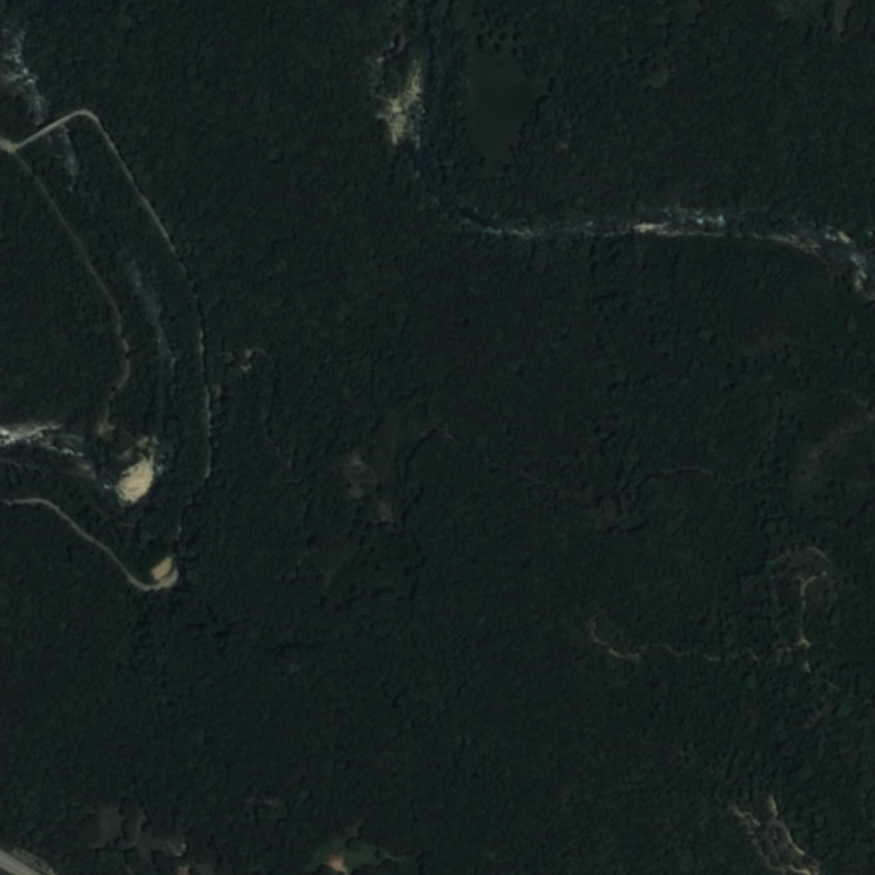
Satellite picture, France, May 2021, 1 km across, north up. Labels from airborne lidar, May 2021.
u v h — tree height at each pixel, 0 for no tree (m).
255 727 14
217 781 13
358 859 0
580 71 12
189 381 12
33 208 9
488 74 0
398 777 18
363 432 8
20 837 10
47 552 15
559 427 13
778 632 14
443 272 23
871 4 12
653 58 11
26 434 0
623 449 11
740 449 15
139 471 0
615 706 13
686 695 8
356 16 14
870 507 12
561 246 19
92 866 9
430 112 15
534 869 10
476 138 0
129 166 11
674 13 11
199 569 19
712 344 14
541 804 12
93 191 16
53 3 14
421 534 14
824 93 9
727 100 16
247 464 16
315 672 14
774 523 11
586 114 7
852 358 13
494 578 12
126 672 22
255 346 12
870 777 14
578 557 11
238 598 14
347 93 14
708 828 8
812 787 11
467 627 11
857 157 12
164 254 17
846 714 11
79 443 0
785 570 9
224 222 11
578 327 19
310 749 13
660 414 13
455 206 10
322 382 15
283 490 13
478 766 15
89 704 17
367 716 12
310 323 9
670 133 11
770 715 9
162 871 14
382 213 11
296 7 13
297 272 12
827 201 10
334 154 10
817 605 5
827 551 11
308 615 10
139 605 18
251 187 12
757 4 14
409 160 16
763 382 12
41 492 14
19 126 16
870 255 11
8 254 12
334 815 11
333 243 14
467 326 18
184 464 13
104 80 12
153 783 16
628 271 13
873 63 11
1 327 10
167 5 13
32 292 12
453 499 12
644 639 11
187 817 12
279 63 14
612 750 14
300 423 13
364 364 12
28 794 13
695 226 16
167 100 10
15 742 6
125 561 14
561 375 19
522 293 20
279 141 10
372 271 14
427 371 16
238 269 16
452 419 13
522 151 10
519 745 8
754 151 12
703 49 13
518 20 9
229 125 14
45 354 10
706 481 12
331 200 16
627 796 9
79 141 19
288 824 12
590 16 9
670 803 8
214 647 19
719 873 9
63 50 15
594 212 6
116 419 8
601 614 10
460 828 13
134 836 12
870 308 14
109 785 16
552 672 13
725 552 16
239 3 13
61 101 10
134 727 19
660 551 10
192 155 14
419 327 15
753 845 8
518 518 13
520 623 8
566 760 12
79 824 10
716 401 13
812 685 10
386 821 17
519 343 19
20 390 10
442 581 16
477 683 14
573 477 13
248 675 18
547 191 6
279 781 10
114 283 13
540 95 0
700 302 10
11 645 14
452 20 18
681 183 12
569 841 10
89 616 15
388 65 9
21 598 13
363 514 12
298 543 16
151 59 13
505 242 16
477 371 18
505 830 11
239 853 14
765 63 8
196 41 13
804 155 12
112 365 9
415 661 16
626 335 11
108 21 15
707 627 14
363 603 20
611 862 6
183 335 20
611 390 14
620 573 10
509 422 18
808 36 9
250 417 8
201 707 16
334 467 10
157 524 15
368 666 13
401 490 8
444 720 16
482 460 12
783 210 16
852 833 11
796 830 16
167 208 13
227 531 14
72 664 18
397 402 10
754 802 11
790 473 9
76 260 14
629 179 13
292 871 11
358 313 11
